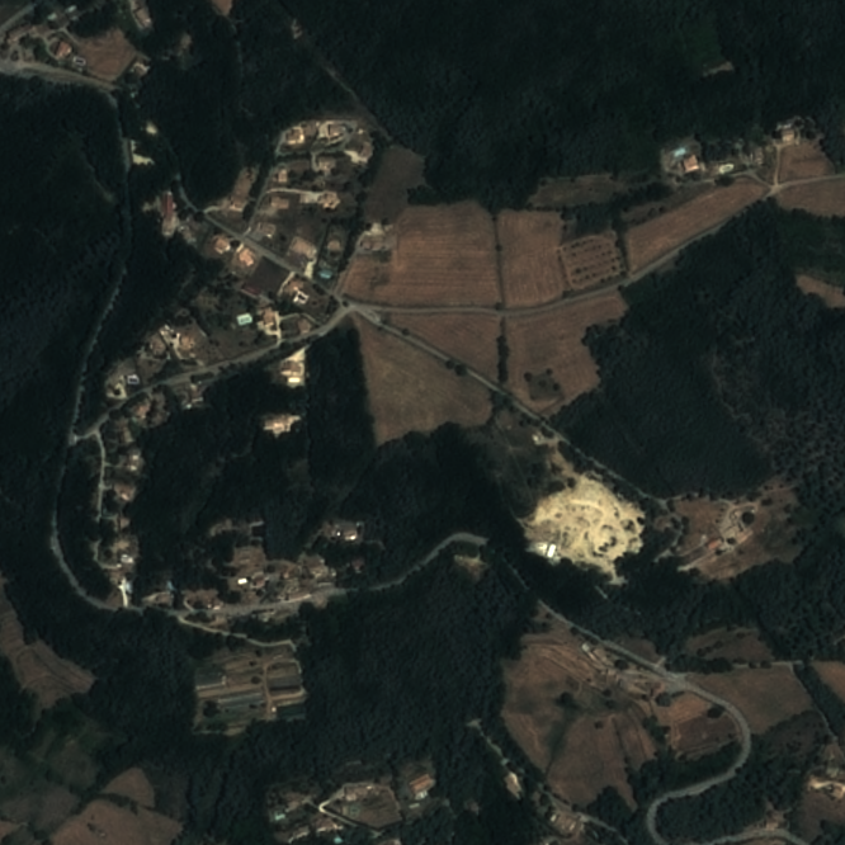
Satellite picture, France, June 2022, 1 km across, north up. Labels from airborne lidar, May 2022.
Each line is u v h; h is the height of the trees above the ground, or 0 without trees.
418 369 0
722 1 15
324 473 13
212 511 12
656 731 10
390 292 0
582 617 18
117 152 19
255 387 17
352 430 11
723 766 12
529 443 0
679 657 8
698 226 0
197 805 25
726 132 14
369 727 20
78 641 17
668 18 20
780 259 16
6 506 14
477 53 18
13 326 15
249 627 17
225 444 10
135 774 0
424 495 14
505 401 11
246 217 9
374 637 12
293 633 10
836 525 23
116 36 0
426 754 19
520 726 0
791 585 23
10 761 0
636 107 7
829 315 16
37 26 14
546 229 0
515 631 14
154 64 11
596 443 9
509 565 13
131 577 11
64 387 6
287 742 15
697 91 22
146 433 12
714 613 21
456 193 12
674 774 14
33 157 19
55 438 17
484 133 19
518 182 16
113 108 17
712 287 7
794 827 6
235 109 14
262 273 0
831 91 22
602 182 0
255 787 11
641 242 0
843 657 10
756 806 8
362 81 14
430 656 8
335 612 8
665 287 11
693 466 10
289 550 19
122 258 20
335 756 19
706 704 0
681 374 7
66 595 18
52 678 0
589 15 14
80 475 18
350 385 12
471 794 21
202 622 14
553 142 18
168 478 11
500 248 6
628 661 9
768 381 7
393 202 0
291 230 0
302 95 12
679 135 13
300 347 7
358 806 0
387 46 13
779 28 14
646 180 10
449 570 16
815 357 17
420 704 11
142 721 19
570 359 0
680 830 19
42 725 12
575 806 9
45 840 6
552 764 0
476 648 17
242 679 0
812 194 0
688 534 6
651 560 12
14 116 15
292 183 6
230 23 14
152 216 9
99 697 19
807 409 9
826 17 17
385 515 9
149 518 16
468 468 10
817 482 20
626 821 15
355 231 8
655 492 9
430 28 16
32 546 19
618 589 11
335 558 13
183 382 0
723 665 13
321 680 23
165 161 21
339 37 13
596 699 0
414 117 19
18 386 14
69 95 18
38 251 9
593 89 18
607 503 0
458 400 0
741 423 9
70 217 6
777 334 15
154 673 20
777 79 9
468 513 7
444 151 12
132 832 0
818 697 16
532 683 0
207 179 13
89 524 16
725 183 11
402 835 17
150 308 17
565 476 0
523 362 0
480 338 0
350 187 14
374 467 11
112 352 18
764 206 18
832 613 6
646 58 16
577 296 0
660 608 13
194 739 13
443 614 15
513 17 18
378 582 12
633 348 15
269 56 11
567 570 11
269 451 17
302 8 14
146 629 20
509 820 17
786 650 11
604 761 0
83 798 8
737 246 7
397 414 0
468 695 19
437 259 0
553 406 0
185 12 15
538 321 0
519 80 16
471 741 20
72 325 7
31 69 0
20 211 9
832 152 25
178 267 18
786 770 6
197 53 15
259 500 14
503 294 0
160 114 16
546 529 0
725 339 14
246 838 17
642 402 10
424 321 0
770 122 13
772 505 10
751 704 0
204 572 11
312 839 11
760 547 0
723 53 12
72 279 7
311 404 13
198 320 15
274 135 11
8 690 17
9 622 0
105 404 9
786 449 6
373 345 0
